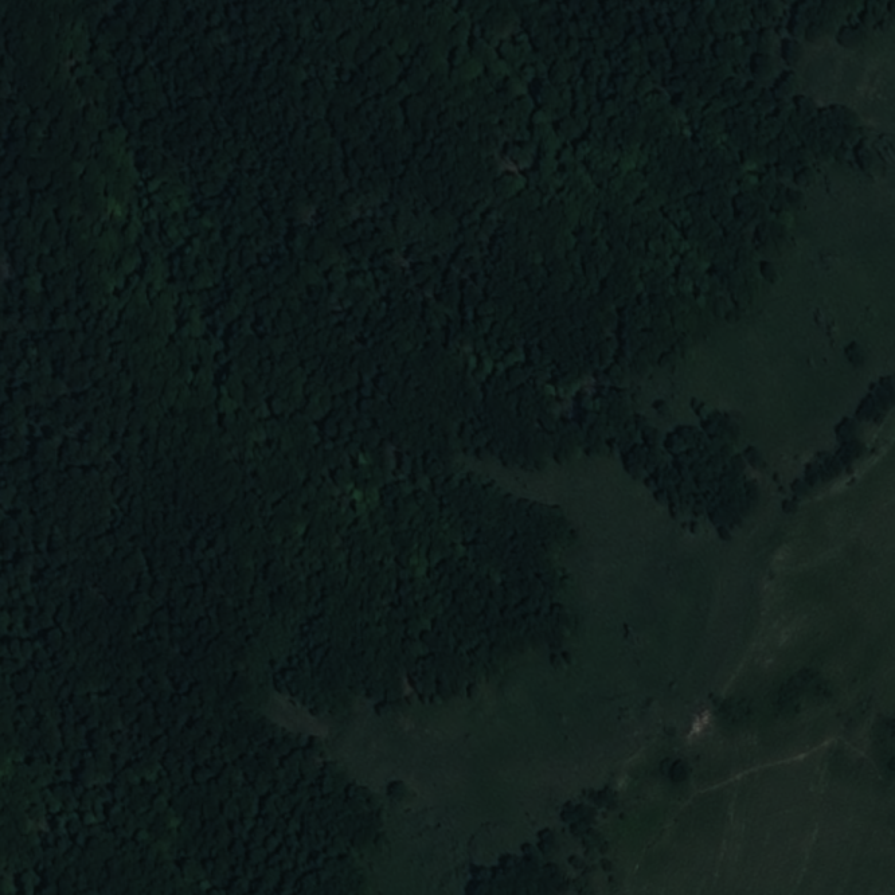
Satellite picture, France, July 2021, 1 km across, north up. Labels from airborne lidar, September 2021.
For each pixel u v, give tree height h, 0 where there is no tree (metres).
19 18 24
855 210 0
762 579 0
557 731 0
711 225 29
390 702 16
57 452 29
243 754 25
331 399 27
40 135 20
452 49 26
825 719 0
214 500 25
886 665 0
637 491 0
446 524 37
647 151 27
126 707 27
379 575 25
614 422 29
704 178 28
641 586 0
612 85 14
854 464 16
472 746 0
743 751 0
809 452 0
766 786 0
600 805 7
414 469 18
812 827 0
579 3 25
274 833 9
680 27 20
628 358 27
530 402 33
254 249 30
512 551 26
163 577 29
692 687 0
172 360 33
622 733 0
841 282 0
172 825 26
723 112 22
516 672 0
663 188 30
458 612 23
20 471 32
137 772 28
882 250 0
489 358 21
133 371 29
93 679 33
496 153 32
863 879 0
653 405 0
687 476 29
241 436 31
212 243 25
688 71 27
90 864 31
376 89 22
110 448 27
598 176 30
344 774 10
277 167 24
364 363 31
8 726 31
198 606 26
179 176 10
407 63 28
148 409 26
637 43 23
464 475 6
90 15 34
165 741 23
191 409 35
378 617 25
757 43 20
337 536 23
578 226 20
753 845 0
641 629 0
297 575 18
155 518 26
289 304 30
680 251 27
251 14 22
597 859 14
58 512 33
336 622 20
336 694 25
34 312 19
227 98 20
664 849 0
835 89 0
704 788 0
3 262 7
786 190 16
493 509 20
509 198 34
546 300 25
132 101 10
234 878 6
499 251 22
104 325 23
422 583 24
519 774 0
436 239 8
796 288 0
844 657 0
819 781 0
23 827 26
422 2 34
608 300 28
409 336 29
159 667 29
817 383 0
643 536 0
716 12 24
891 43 0
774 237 20
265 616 9
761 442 0
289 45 27
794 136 29
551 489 0
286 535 21
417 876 0
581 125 31
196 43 25
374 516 27
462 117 32
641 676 0
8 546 37
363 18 26
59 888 23
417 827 0
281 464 27
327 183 20
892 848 0
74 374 29
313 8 30
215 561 25
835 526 0
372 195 13
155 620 29
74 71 8
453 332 26
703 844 0
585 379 29
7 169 26
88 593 30
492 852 0
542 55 32
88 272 19
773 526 0
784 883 0
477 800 0
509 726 0
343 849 22
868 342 0
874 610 0
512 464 17
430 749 0
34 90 22
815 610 0
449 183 22
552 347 31
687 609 0
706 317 17
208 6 19
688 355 21
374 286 24
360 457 27
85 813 21
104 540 26
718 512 15
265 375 39
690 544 0
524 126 29
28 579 35
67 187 24
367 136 15
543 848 12
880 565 0
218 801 26
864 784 0
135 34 24
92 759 27
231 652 28
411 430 25
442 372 27
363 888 21
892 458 0
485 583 25
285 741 18
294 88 28
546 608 28
